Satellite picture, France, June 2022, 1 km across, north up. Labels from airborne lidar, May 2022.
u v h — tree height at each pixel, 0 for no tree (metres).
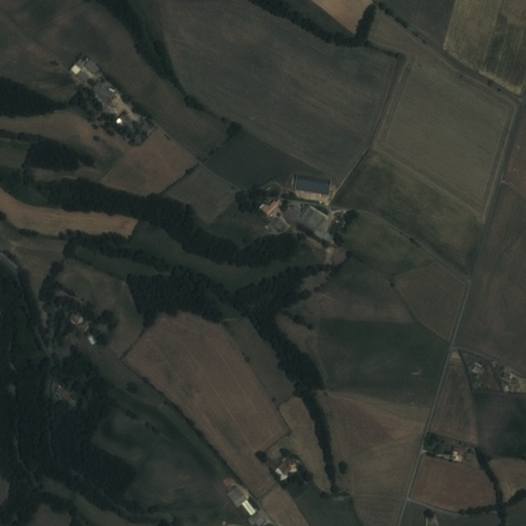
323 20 0
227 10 0
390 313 0
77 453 12
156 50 9
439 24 0
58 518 0
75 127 0
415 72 0
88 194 18
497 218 0
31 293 17
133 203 12
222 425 0
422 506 0
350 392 0
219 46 0
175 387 0
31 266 0
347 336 0
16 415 21
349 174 0
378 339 0
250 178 0
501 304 0
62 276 0
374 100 0
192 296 26
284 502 0
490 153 0
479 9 0
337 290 0
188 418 11
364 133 0
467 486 0
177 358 0
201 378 0
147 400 0
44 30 0
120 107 0
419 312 0
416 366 0
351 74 0
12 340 13
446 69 0
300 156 0
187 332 0
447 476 0
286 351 21
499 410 0
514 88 0
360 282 0
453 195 0
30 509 18
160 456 0
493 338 0
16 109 16
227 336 0
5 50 0
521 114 0
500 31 0
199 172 0
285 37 0
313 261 0
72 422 19
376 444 0
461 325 0
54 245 0
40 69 0
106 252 21
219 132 0
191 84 0
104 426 0
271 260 17
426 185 0
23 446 24
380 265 0
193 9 0
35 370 19
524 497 14
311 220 0
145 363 0
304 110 0
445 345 0
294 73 0
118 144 0
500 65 0
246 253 15
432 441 11
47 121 0
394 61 0
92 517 0
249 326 0
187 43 0
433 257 0
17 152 0
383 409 0
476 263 0
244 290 17
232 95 0
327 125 0
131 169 0
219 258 20
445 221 0
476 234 0
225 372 0
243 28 0
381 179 0
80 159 15
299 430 0
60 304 18
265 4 16
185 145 0
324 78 0
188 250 20
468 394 0
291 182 0
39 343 10
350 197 0
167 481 0
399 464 0
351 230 0
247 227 0
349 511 0
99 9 0
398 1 0
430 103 0
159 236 0
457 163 0
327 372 0
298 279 22
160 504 0
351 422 0
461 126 0
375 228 0
